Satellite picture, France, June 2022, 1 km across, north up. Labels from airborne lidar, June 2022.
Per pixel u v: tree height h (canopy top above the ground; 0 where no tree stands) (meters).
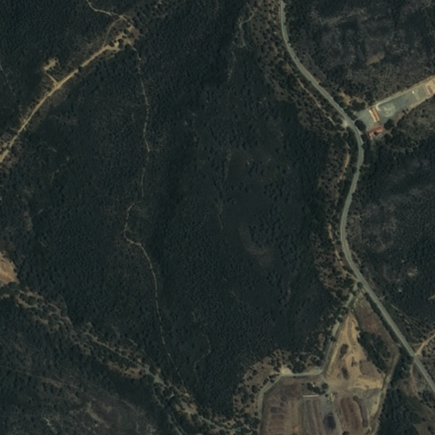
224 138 11
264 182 0
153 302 6
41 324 15
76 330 16
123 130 11
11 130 8
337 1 10
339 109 0
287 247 17
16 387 15
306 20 11
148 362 19
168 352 7
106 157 7
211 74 7
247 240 0
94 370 8
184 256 10
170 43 12
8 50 7
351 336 0
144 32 15
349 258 0
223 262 7
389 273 0
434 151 19
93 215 12
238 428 8
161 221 11
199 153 0
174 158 6
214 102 7
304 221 7
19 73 8
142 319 15
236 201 11
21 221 11
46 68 0
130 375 6
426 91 0
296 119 9
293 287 9
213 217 6
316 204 10
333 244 9
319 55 9
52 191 9
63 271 8
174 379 8
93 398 0
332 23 0
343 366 0
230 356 12
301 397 0
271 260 0
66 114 12
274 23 6
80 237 12
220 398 14
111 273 9
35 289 14
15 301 19
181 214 7
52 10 13
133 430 0
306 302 7
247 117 9
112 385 13
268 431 0
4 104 6
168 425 13
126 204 6
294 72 7
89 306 11
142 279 7
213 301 12
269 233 17
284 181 9
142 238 7
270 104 13
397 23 10
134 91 7
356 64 7
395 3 10
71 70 11
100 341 7
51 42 14
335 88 7
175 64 7
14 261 13
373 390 0
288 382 0
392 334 13
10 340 9
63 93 0
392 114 0
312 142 6
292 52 0
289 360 8
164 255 11
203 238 13
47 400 10
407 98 0
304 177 9
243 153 0
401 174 0
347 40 7
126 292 6
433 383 0
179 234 10
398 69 0
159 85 14
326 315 7
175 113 11
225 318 7
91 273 13
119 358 9
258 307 8
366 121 0
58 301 8
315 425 0
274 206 12
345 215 0
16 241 12
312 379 0
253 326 12
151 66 11
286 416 0
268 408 0
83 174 7
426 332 11
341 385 0
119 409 0
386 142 8
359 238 0
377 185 12
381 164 7
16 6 13
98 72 14
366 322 0
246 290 11
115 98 9
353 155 7
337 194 0
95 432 0
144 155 11
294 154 9
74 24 11
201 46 11
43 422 7
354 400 0
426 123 0
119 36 0
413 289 10
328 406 0
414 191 0
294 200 7
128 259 10
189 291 12
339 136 11
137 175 11
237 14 8
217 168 12
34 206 8
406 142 10
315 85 0
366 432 0
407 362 17
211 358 7
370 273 0
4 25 8
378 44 0
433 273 11
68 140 6
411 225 10
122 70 10
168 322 6
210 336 9
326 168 12
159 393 19
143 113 9
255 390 14
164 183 7
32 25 11
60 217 12
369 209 0
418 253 16
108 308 12
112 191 13
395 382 17
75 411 0
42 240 15
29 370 7
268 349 11
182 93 18
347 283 9
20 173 11
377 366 8
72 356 6
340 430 0
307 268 11
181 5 12
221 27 15
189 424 9
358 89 8
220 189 13
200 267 11
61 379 0
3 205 11
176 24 8
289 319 8
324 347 6
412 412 17
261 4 0
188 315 8
